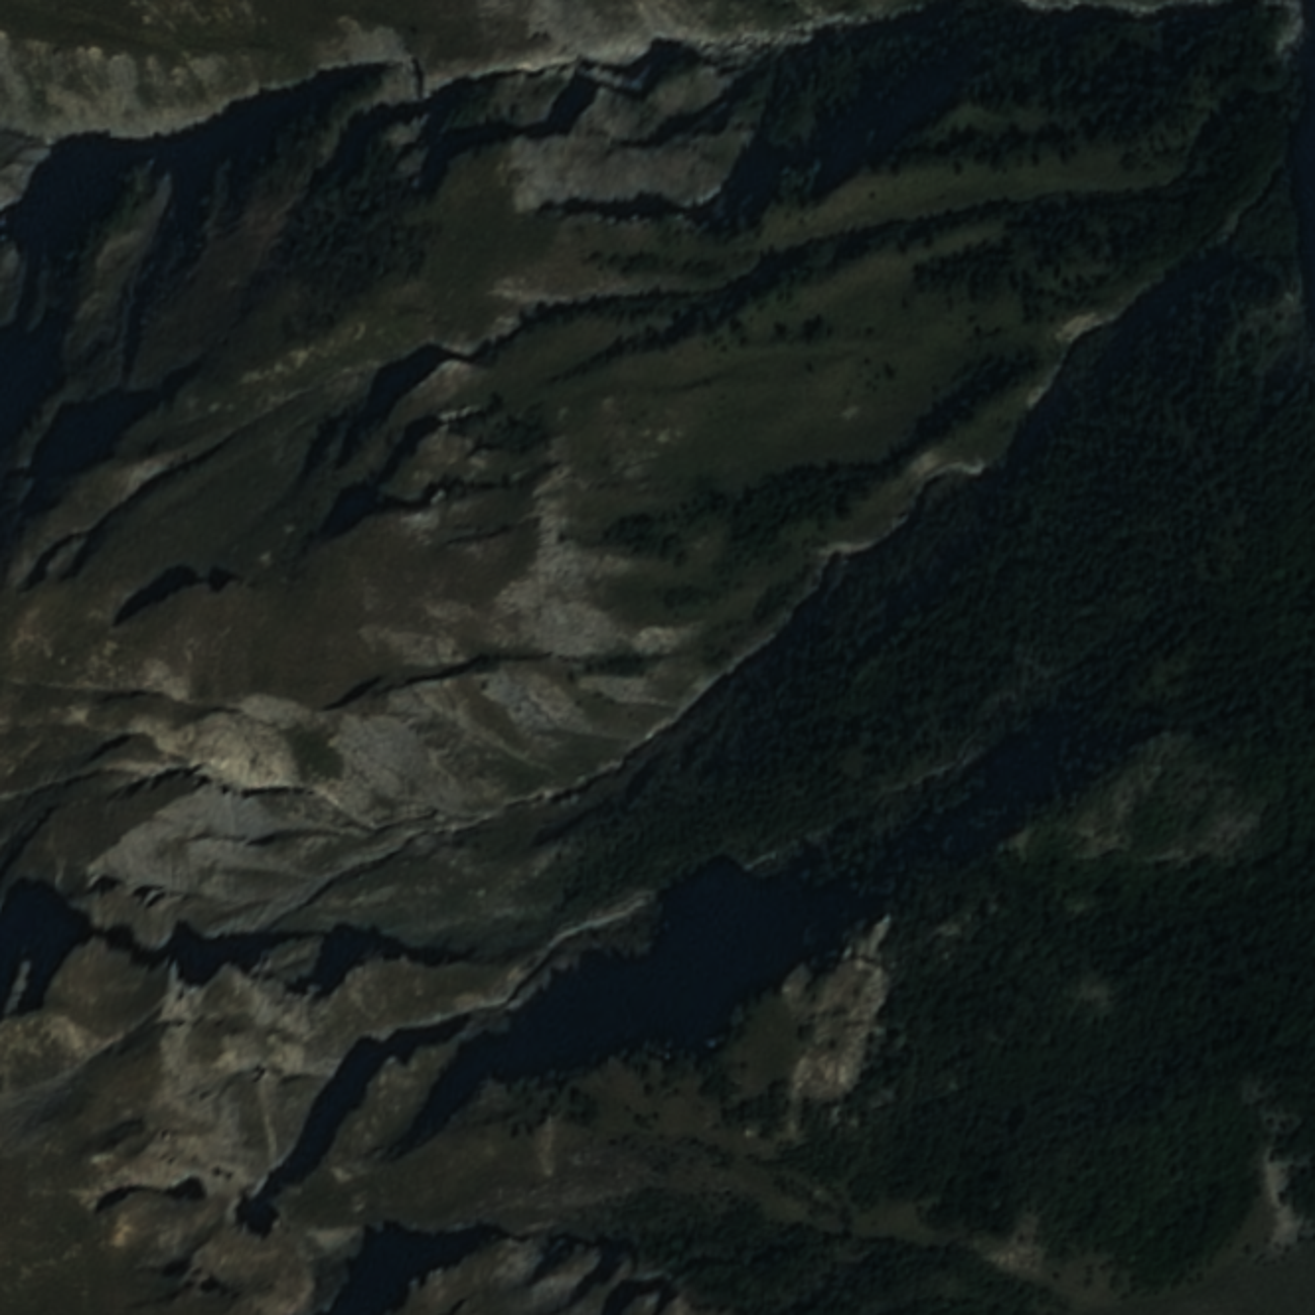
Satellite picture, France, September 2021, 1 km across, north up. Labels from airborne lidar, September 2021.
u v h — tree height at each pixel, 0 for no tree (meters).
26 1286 0
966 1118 10
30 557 0
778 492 8
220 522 0
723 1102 9
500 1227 0
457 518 0
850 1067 0
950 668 12
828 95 8
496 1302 0
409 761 0
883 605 9
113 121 0
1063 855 6
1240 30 8
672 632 0
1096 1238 10
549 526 0
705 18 0
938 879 10
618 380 0
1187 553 8
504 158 10
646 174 0
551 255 0
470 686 0
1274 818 9
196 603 0
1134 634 7
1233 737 20
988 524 5
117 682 0
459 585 0
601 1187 0
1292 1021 8
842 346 0
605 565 0
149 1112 0
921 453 9
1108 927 11
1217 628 13
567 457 0
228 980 0
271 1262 0
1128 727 12
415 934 0
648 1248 7
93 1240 0
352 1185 0
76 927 0
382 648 0
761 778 10
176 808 0
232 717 0
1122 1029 8
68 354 0
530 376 0
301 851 0
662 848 6
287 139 7
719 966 0
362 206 8
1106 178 0
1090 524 6
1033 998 10
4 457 0
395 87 0
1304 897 11
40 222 0
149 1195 0
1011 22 9
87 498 0
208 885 0
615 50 0
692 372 0
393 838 0
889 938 8
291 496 0
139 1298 0
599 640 0
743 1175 0
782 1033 0
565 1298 0
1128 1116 13
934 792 7
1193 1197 8
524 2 0
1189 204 16
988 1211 13
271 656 0
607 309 6
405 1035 0
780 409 0
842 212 0
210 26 0
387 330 0
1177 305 11
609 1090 0
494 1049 0
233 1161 0
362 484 0
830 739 10
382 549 0
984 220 8
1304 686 14
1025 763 10
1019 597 6
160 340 0
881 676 8
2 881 0
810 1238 11
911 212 0
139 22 0
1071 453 7
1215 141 13
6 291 0
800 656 8
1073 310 11
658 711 0
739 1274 8
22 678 0
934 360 0
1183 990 11
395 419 0
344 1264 0
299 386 0
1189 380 6
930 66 9
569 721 0
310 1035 0
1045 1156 8
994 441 0
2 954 0
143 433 0
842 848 9
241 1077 0
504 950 0
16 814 0
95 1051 0
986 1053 9
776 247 0
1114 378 9
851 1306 9
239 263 0
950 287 9
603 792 0
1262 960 14
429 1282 0
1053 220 12
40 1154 0
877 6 0
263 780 0
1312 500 11
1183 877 11
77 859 0
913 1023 8
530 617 0
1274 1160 7
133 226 0
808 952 6
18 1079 0
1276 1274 0
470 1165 0
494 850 0
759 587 0
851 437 0
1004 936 10
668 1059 10
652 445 0
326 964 0
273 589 0
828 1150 11
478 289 0
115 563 0
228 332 0
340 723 0
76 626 0
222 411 0
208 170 0
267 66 0
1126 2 0
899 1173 10
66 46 0
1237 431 10
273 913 0
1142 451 9
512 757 0
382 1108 0
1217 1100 11
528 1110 8
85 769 0
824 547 7
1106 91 12
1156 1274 10
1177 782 8
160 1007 0
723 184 0
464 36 0
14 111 0
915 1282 7
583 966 0
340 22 0
